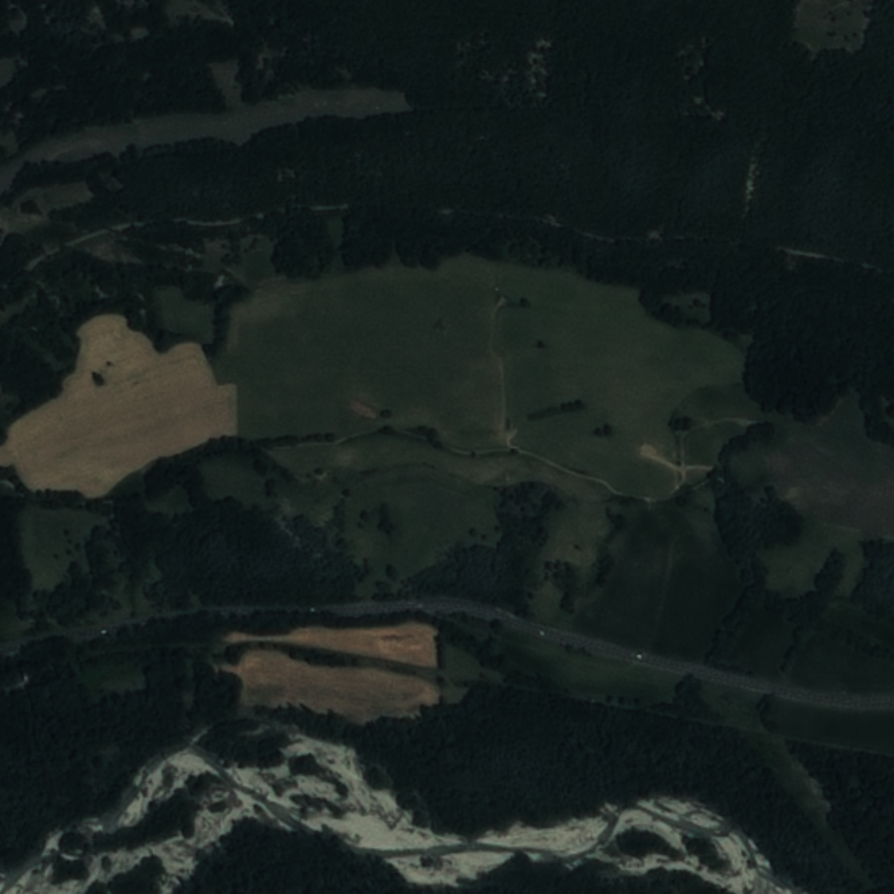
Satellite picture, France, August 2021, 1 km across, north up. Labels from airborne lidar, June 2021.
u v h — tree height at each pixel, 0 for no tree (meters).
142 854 0
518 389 0
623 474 0
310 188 14
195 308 0
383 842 0
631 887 9
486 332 0
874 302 16
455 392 0
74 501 14
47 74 15
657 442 0
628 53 22
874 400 14
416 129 15
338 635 0
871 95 19
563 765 20
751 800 19
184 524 17
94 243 0
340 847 20
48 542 0
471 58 13
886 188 16
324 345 0
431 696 0
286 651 10
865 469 0
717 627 0
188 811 10
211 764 0
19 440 0
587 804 16
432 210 16
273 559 15
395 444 0
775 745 0
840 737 0
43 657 12
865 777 14
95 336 0
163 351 11
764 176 12
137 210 15
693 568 0
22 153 6
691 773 20
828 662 0
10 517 22
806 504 0
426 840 0
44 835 8
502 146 13
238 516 20
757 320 20
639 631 0
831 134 18
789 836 14
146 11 11
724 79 14
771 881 0
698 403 0
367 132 18
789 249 14
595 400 0
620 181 12
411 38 15
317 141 16
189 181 15
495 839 0
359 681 0
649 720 20
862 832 21
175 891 0
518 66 14
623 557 0
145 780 0
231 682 25
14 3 14
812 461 0
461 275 0
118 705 18
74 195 0
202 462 8
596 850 0
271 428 0
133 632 17
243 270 0
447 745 18
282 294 0
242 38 14
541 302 0
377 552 0
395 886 7
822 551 0
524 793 12
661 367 0
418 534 0
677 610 0
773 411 17
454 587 13
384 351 0
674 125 16
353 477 0
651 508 0
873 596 11
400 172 13
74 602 21
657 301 11
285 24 19
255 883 25
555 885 7
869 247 14
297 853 22
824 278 15
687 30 16
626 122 16
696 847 12
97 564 16
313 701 0
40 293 10
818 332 16
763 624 0
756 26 15
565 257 11
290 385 0
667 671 0
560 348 0
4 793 10
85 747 9
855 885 15
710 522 0
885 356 17
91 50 11
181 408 0
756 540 12
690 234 13
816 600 17
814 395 26
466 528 0
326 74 16
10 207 10
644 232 19
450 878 0
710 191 8
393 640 0
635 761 16
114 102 17
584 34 16
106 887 6
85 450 0
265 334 0
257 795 0
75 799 11
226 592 20
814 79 12
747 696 0
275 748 12
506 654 0
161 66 19
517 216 17
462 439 0
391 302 0
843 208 12
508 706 16
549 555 0
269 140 17
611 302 0
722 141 14
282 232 13
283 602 17
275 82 8
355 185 13
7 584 21
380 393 0
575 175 11
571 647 10
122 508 11
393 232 23
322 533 11
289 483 8
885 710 0
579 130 16
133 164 15
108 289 20
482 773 15
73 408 0
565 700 6
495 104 11
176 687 9
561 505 8
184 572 22
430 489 0
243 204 12
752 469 0
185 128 0
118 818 0
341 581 16
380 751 14
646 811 0
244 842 17
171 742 10
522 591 11
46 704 21
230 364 0
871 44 15
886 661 14
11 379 17
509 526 12
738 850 0
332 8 20
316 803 16
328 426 0
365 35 18
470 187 16
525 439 0
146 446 0
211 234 11
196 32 16
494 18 16
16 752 10
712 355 0
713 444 0
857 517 0
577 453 0
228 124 0
